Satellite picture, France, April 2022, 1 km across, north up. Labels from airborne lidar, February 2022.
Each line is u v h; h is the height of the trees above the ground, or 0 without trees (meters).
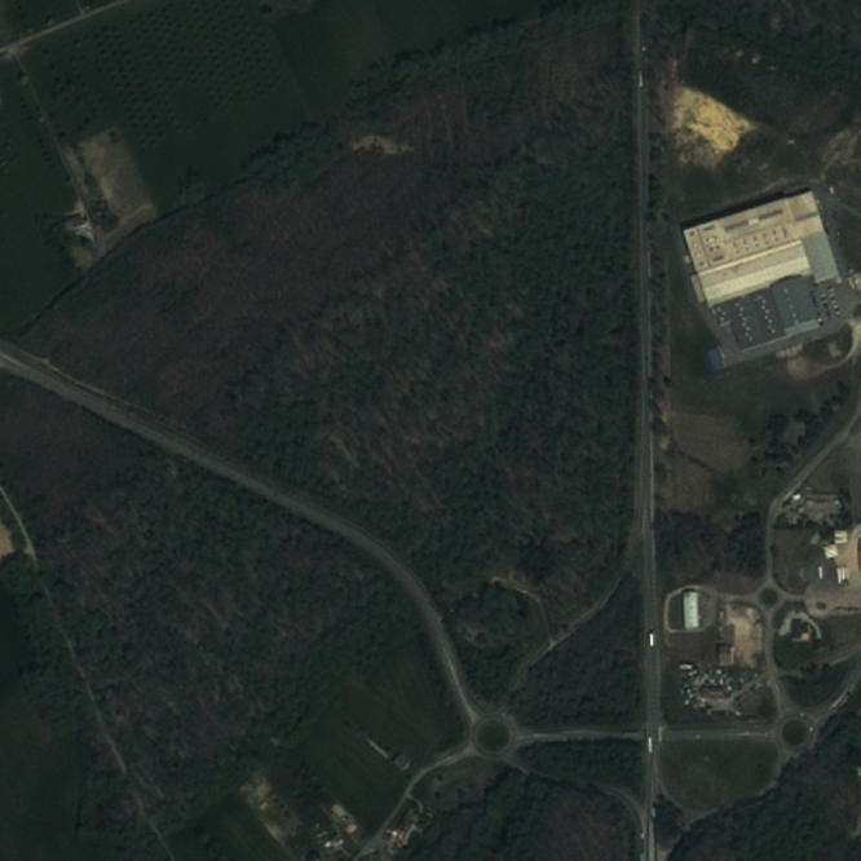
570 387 26
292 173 24
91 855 0
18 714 0
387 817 0
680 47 22
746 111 0
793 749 0
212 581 24
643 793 0
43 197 0
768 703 0
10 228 0
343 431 24
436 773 0
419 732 0
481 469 24
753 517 7
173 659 25
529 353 24
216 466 0
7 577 18
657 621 0
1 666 0
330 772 0
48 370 0
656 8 26
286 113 0
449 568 26
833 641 0
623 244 21
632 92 12
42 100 0
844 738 21
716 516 0
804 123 0
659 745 0
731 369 0
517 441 22
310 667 26
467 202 28
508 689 12
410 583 0
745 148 0
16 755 0
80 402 0
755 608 0
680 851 14
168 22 0
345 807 0
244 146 0
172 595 27
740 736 0
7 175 0
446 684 13
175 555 27
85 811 9
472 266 28
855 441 0
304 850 0
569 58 0
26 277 0
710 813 0
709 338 0
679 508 0
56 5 0
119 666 23
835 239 0
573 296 20
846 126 0
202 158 0
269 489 0
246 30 0
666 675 0
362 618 27
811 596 0
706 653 0
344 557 28
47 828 0
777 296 0
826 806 30
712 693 0
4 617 0
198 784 27
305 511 0
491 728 0
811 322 0
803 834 27
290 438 26
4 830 0
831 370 0
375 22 0
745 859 32
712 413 0
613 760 12
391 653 0
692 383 0
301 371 26
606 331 26
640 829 0
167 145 0
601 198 24
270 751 13
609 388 26
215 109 0
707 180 0
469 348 29
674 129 0
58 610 24
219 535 27
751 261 0
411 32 0
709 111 0
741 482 0
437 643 0
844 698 0
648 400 0
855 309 0
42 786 0
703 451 0
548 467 26
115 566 25
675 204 0
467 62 20
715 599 0
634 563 0
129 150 0
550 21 20
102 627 25
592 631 17
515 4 0
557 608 21
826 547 0
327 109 0
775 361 0
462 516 30
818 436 11
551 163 26
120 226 0
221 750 29
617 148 25
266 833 0
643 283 0
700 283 0
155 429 0
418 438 29
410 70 21
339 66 0
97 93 0
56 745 0
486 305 25
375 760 0
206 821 0
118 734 29
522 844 26
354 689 0
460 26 0
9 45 0
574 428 25
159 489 29
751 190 0
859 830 0
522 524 26
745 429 0
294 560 29
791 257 0
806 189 0
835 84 10
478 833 27
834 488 0
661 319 18
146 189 0
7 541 0
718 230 0
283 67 0
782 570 0
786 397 0
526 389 25
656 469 0
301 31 0
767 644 0
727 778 0
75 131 0
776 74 0
